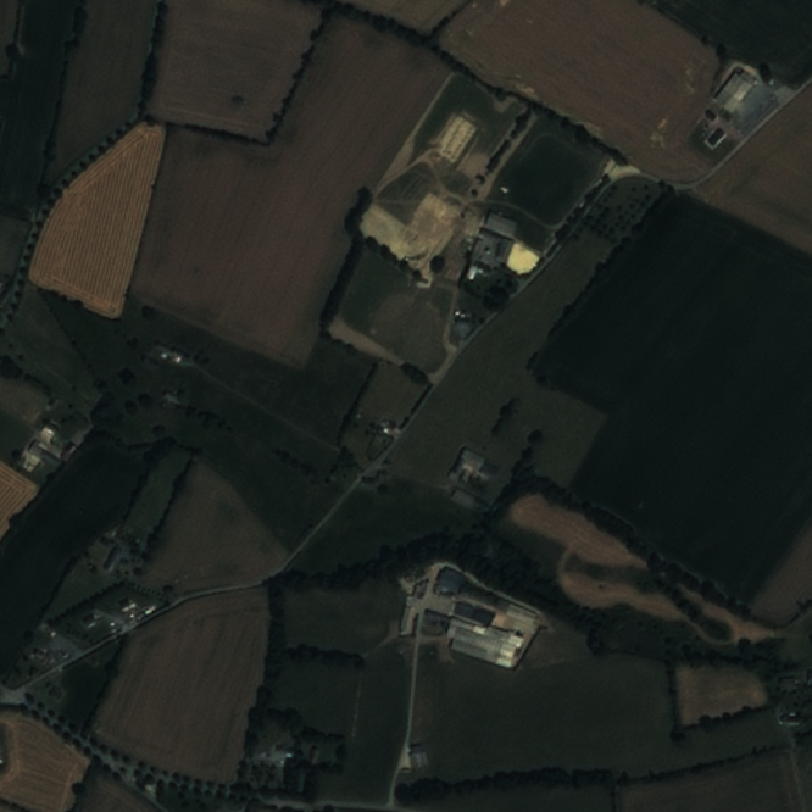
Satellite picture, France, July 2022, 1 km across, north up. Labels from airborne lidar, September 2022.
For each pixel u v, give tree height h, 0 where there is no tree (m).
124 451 7
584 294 7
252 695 0
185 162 0
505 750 0
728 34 0
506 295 21
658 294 0
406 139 0
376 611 0
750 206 0
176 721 0
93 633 0
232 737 0
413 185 0
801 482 0
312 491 0
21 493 0
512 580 14
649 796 0
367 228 0
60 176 0
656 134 0
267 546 0
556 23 0
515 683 0
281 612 20
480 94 0
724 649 0
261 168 0
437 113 0
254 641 0
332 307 15
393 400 0
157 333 0
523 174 0
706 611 0
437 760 0
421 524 0
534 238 0
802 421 0
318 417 0
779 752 0
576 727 0
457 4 0
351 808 0
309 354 0
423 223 0
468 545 20
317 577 7
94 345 0
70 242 0
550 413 0
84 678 0
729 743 0
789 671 6
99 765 11
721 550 0
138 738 0
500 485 0
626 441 0
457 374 0
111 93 0
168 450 15
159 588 0
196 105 0
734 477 0
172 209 0
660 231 0
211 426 16
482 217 0
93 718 9
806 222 0
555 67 0
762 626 0
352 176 0
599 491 0
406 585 0
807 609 12
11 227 0
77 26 12
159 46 12
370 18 14
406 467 0
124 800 0
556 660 0
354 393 0
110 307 0
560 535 0
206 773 0
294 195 0
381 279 0
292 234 0
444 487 0
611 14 0
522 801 0
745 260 0
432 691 0
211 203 0
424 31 0
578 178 0
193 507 0
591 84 0
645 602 0
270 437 0
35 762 0
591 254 0
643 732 0
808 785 0
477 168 0
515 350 0
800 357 0
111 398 7
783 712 0
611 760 0
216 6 0
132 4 0
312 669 0
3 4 0
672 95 0
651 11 0
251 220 0
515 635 0
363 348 0
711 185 0
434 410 0
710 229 0
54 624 10
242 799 9
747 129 0
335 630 0
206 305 0
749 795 0
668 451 0
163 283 0
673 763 0
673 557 0
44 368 0
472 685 0
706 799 0
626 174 0
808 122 0
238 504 0
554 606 12
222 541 0
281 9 0
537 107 14
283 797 13
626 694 0
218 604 0
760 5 0
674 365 0
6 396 0
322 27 8
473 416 0
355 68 0
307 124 0
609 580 0
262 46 0
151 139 0
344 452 11
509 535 0
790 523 0
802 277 0
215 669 0
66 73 6
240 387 0
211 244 0
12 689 0
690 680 0
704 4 0
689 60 0
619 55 0
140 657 0
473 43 0
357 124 0
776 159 0
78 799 13
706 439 0
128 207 0
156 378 0
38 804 0
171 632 0
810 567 0
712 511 0
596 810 0
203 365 6
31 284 0
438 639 0
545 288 0
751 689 0
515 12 0
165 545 0
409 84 0
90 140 0
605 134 0
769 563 0
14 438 0
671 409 0
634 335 0
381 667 0
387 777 0
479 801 0
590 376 0
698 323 0
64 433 0
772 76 17
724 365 0
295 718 16
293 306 0
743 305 0
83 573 0
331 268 0
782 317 0
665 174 0
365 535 0
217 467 0
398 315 0
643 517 0
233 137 10
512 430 0
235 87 0
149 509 0
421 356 0
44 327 0
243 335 0
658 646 0
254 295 0
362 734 0
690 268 0
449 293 0
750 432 0
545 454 0
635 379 0
